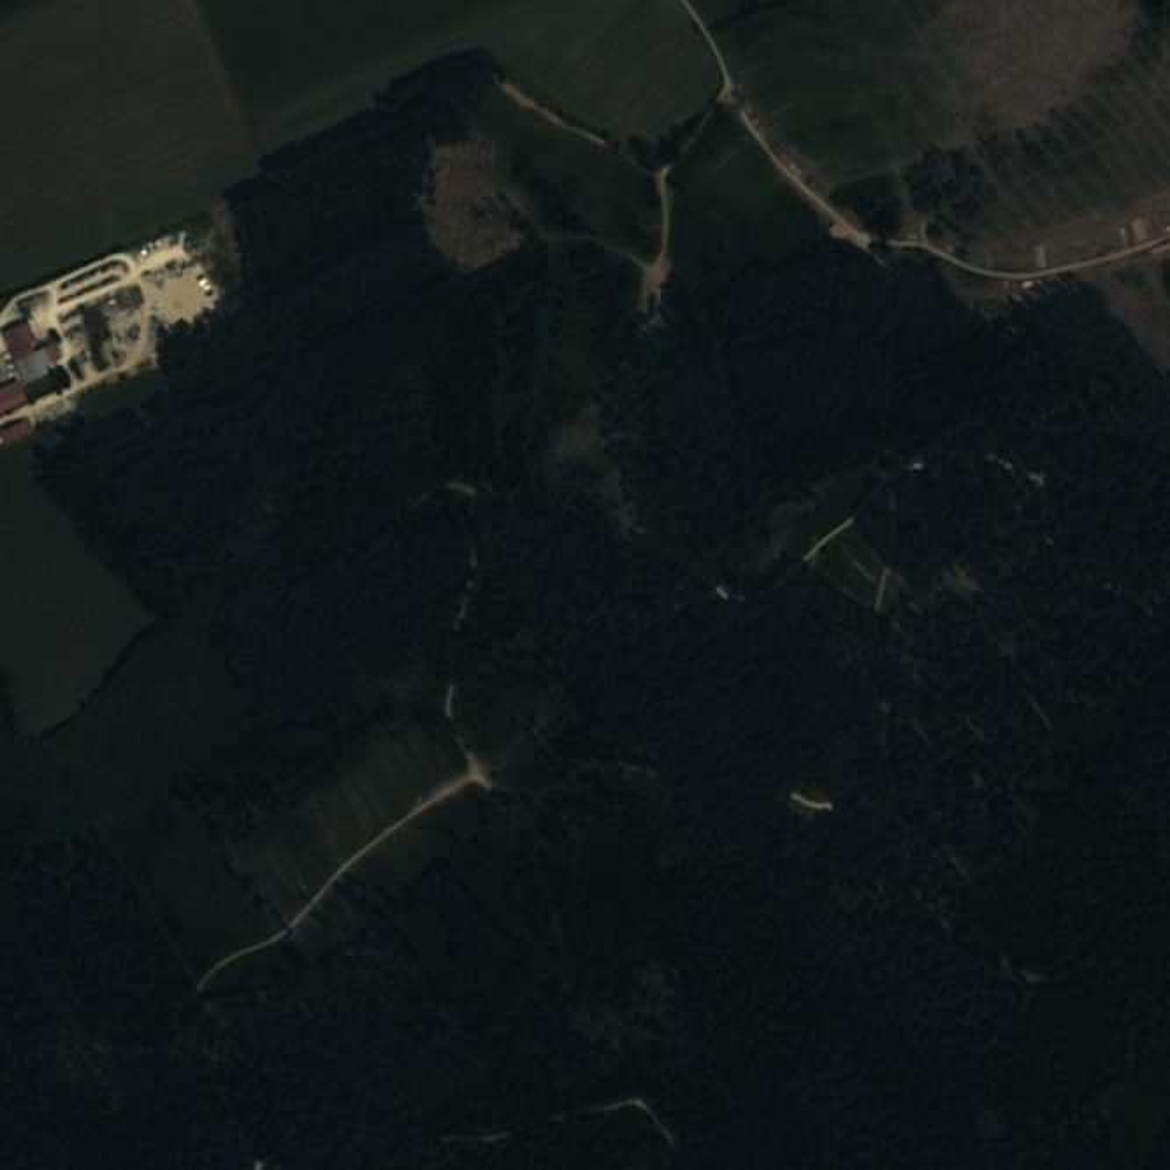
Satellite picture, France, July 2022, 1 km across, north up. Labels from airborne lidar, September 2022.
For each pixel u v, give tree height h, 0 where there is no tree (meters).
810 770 31
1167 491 38
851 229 0
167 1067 28
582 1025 0
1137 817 13
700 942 17
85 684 0
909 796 28
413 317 24
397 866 0
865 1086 24
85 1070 20
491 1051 22
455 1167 33
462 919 21
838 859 28
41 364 0
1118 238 0
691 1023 24
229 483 30
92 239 0
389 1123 28
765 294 16
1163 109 0
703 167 0
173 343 27
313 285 31
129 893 28
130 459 31
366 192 16
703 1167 26
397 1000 8
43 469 8
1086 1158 23
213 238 0
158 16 0
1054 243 0
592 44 0
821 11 0
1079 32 0
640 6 0
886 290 28
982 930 7
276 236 16
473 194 0
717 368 38
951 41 0
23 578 0
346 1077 29
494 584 8
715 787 27
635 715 37
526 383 6
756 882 20
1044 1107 9
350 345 25
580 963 7
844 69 0
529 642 10
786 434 29
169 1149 28
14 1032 20
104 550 14
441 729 7
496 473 9
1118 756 13
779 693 32
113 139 0
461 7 0
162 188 0
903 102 0
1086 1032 13
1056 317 30
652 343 38
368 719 8
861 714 24
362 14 0
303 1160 32
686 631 28
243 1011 29
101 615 0
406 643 0
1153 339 0
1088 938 15
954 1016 21
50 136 0
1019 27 0
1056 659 31
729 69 0
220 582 28
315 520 15
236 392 31
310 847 0
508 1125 9
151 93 0
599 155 0
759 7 13
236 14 0
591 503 26
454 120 24
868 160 0
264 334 28
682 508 38
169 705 0
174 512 28
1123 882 8
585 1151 13
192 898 0
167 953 20
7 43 0
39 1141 27
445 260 14
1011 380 26
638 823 7
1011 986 27
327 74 0
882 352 30
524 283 8
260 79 0
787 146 0
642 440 35
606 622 30
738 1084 16
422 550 36
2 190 0
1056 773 34
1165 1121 0
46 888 28
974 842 35
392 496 10
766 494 35
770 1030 7
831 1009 15
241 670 27
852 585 0
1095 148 0
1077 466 38
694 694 32
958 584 0
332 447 21
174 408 30
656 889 7
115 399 0
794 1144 21
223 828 18
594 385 0
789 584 31
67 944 22
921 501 33
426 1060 33
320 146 21
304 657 30
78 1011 23
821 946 26
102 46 0
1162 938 13
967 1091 26
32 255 0
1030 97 0
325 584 25
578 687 31
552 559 36
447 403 11
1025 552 29
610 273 7
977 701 33
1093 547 32
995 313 7
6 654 0
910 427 26
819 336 25
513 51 0
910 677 26
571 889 8
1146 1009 11
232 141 0
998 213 0
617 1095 6
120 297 0
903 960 30
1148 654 34
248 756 6
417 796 0
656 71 0
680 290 6
